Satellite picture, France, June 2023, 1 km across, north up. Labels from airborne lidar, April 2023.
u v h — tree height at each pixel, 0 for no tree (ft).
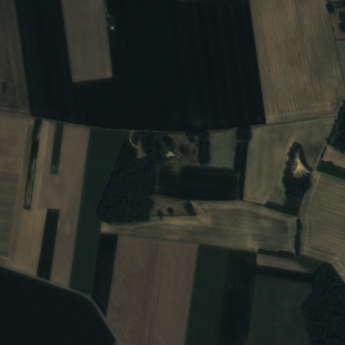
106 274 0
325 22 0
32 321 0
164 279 0
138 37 0
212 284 0
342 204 0
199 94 0
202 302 0
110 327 0
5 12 0
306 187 65
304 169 0
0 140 0
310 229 0
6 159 0
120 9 0
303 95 0
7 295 0
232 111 0
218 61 0
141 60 0
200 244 0
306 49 0
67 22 0
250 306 0
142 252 0
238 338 0
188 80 0
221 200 0
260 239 0
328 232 0
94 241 0
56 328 0
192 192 0
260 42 0
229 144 0
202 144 63
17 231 0
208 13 0
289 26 0
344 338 85
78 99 0
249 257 0
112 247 0
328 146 0
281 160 0
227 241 0
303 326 0
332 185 0
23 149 0
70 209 0
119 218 49
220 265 0
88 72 0
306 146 0
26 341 0
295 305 0
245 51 0
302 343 0
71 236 0
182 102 0
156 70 0
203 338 0
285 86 0
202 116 0
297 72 0
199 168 0
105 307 0
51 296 0
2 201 0
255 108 0
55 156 0
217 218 0
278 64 0
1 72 0
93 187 0
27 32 0
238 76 0
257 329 0
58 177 0
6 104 0
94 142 0
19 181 0
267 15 0
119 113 0
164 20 0
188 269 0
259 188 0
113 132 0
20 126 0
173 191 0
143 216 74
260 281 0
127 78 0
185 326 0
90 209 0
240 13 0
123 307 0
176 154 0
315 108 0
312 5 0
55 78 0
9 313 0
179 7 0
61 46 0
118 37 0
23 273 0
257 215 0
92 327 0
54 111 0
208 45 0
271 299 0
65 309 0
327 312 96
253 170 0
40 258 0
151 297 0
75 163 0
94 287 0
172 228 0
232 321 0
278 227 0
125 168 74
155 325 0
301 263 0
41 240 0
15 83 0
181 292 0
